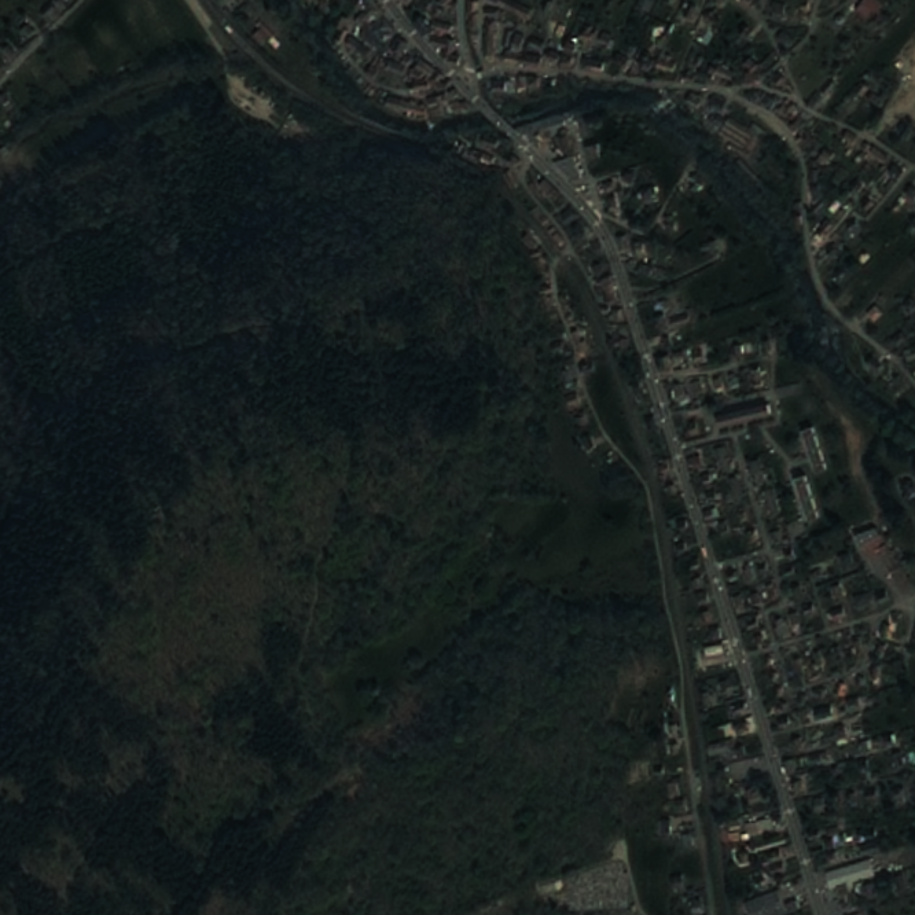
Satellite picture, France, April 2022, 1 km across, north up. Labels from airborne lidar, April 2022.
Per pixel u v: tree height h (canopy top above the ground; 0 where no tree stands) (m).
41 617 20
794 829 0
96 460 30
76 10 0
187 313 25
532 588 13
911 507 16
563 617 26
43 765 33
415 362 35
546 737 9
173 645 20
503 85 0
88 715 23
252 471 20
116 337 19
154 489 20
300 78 0
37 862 17
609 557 0
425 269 25
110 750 20
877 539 0
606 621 20
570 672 21
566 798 22
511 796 16
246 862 36
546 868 21
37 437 30
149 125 17
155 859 25
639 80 0
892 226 0
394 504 22
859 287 0
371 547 23
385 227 20
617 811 17
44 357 13
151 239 23
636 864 0
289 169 22
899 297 7
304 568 19
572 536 0
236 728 18
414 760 19
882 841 12
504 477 12
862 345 0
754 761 0
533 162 0
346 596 23
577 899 0
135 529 23
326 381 31
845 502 0
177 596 25
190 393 14
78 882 19
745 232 9
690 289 0
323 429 22
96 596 20
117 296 8
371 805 25
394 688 15
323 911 10
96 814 23
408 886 6
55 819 20
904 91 0
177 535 22
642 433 0
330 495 16
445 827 16
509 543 18
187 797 9
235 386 18
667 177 0
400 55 0
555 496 13
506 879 18
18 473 26
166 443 22
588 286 0
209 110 28
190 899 30
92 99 25
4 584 28
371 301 19
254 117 0
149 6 0
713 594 0
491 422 12
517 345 23
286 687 10
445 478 23
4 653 14
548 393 9
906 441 22
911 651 10
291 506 16
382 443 20
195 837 19
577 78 9
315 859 10
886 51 0
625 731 24
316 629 17
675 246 18
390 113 0
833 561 0
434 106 0
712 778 12
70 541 30
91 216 11
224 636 13
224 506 19
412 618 21
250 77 15
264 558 17
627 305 0
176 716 28
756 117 0
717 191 9
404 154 14
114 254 13
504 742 16
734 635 0
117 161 24
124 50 0
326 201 18
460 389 37
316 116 20
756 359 0
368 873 17
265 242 20
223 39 0
